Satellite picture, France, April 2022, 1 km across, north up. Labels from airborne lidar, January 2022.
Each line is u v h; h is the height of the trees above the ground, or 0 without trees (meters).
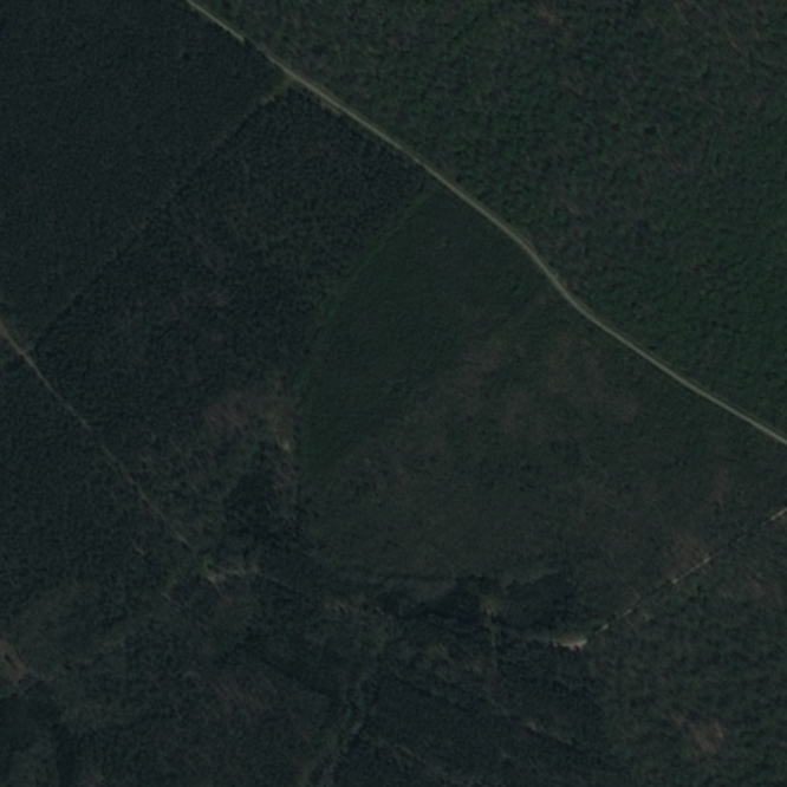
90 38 27
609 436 12
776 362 22
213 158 23
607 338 11
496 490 12
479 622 13
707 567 20
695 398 13
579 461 12
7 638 20
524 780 27
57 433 26
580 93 28
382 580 19
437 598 23
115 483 27
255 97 25
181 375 27
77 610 15
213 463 23
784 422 18
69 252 25
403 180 24
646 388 14
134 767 29
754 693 23
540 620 8
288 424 0
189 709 25
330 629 24
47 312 25
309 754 29
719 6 24
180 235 25
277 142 28
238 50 25
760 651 22
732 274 21
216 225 22
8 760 10
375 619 16
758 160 21
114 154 26
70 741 16
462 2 23
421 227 9
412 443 13
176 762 24
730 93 23
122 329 21
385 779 24
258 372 22
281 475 22
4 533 27
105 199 27
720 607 20
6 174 26
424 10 20
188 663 23
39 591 21
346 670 14
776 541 21
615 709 25
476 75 22
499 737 25
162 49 27
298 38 23
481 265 9
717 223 22
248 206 26
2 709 12
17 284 26
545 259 20
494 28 23
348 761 20
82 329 25
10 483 26
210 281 23
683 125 20
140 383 26
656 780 22
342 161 22
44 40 25
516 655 28
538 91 24
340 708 11
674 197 22
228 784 28
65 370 23
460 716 23
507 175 24
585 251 20
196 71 25
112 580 26
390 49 23
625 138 25
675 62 23
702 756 24
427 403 9
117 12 29
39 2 29
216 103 25
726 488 0
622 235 23
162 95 26
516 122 0
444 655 24
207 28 26
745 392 19
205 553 26
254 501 15
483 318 8
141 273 25
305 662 13
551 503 12
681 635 20
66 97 25
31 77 29
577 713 29
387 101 21
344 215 22
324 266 19
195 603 25
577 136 25
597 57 24
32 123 29
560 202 25
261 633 13
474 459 11
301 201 27
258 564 26
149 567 27
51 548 27
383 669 21
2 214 28
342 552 15
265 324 29
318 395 9
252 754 29
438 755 23
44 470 28
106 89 28
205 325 27
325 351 8
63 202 27
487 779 18
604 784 15
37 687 9
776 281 21
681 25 23
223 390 28
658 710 23
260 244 22
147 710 27
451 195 10
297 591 22
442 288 6
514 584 8
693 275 21
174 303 22
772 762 23
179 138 26
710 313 23
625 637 20
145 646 22
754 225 21
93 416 24
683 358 20
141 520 27
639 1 19
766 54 27
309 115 23
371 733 19
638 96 23
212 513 26
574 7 23
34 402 24
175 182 28
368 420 9
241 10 26
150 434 25
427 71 24
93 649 15
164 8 30
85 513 28
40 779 22
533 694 30
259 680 26
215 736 24
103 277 18
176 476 15
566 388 0
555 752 29
